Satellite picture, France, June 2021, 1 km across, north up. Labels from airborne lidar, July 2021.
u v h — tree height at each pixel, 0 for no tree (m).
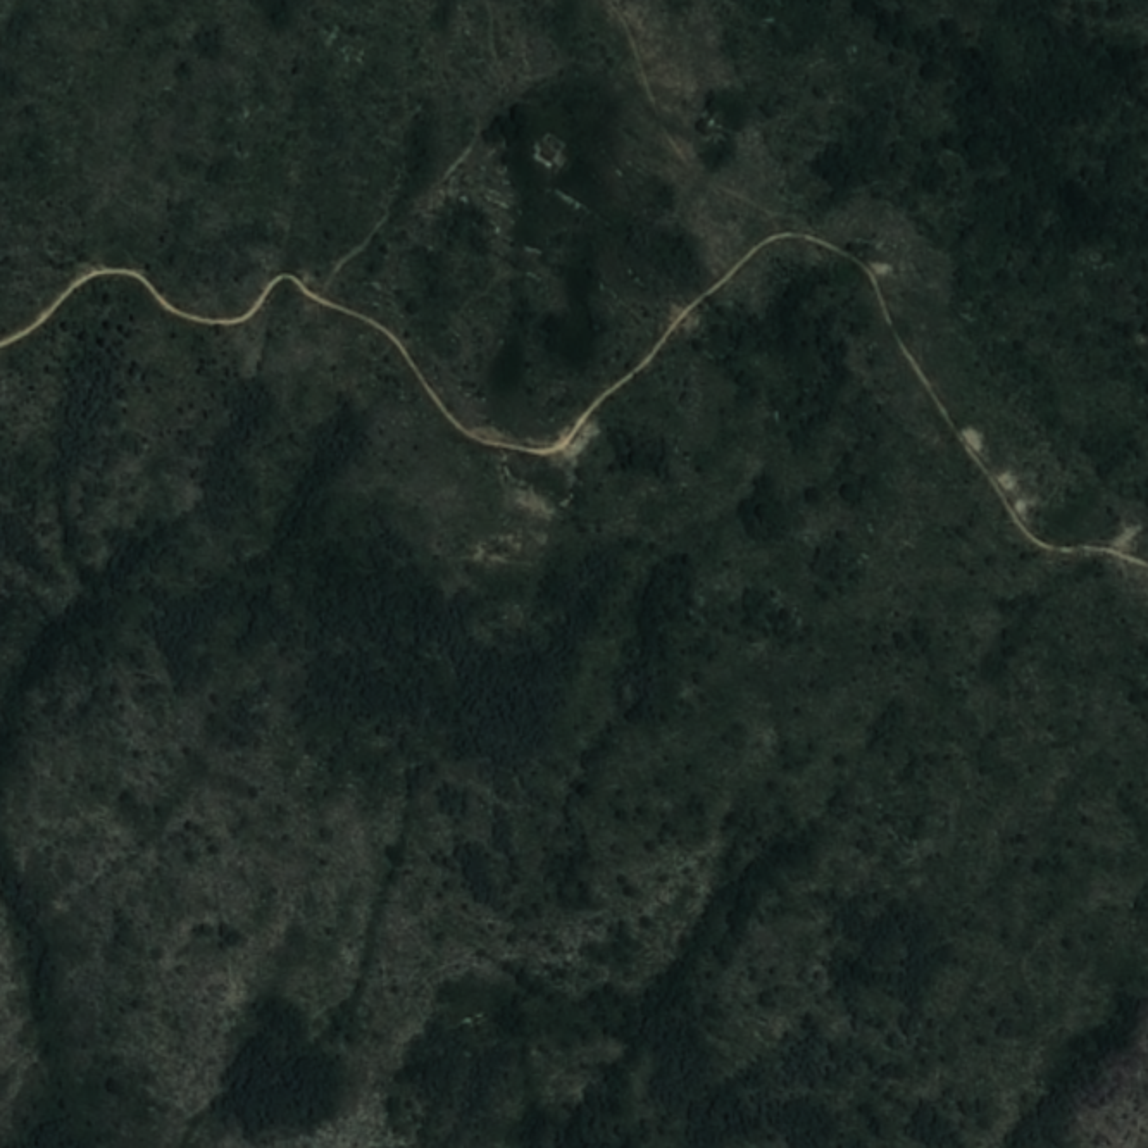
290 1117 10
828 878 0
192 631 8
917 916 6
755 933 0
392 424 0
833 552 5
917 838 6
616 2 0
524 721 12
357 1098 0
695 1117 11
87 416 9
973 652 0
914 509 0
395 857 9
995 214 5
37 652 14
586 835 8
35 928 10
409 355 0
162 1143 0
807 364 0
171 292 0
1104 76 12
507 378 0
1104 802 0
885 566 0
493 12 0
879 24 7
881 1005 0
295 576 7
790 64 0
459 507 0
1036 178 7
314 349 0
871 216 0
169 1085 0
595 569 10
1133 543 0
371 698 10
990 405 0
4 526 6
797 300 11
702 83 0
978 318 0
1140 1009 8
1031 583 0
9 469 6
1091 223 10
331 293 0
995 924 0
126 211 0
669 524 0
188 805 0
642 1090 0
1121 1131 0
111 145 0
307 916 0
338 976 0
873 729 6
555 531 0
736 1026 0
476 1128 7
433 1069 8
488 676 11
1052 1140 7
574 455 0
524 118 14
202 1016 0
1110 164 8
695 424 0
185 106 0
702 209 0
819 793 0
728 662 0
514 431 0
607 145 0
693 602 7
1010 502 0
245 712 7
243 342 0
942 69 7
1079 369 0
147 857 0
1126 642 0
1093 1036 7
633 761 0
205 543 0
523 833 0
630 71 0
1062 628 0
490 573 0
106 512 0
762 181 0
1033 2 9
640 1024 8
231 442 8
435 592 6
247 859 0
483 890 7
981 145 17
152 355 0
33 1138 6
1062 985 0
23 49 0
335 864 0
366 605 7
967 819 0
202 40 8
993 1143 0
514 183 6
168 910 0
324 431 8
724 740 6
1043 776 0
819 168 13
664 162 0
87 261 8
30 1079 0
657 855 0
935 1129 10
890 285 0
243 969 0
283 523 10
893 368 0
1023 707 0
